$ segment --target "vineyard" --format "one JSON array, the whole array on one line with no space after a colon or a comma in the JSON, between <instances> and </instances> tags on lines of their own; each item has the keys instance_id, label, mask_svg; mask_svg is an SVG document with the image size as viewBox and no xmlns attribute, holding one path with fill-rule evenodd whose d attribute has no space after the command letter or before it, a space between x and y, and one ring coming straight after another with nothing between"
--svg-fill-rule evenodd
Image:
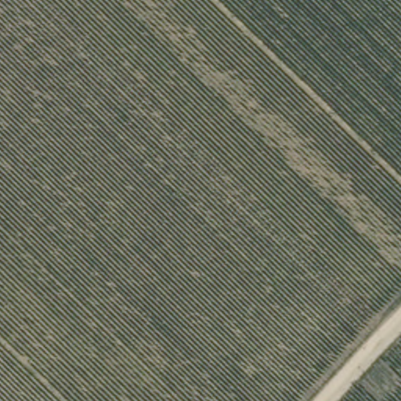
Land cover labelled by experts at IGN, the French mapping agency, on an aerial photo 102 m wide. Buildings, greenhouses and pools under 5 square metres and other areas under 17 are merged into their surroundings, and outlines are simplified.
<instances>
[{"instance_id":1,"label":"vineyard","mask_svg":"<svg viewBox=\"0 0 401 401\"><path fill-rule=\"evenodd\" d=\"M401 335L360 374L357 381L352 382L348 392L338 401L401 401Z\"/></svg>"},{"instance_id":2,"label":"vineyard","mask_svg":"<svg viewBox=\"0 0 401 401\"><path fill-rule=\"evenodd\" d=\"M368 338L378 331L388 316L401 305L401 0L0 0L0 401L313 401L351 357L367 343Z\"/></svg>"}]
</instances>

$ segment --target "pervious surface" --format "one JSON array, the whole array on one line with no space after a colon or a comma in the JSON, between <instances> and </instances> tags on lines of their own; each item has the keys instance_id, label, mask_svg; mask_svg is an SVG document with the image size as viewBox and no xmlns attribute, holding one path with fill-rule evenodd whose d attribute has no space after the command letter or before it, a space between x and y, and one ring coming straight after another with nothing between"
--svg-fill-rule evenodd
<instances>
[{"instance_id":1,"label":"pervious surface","mask_svg":"<svg viewBox=\"0 0 401 401\"><path fill-rule=\"evenodd\" d=\"M351 357L313 401L338 401L348 392L352 382L357 381L360 374L401 335L401 305L388 316L378 331L368 338L367 343Z\"/></svg>"}]
</instances>

